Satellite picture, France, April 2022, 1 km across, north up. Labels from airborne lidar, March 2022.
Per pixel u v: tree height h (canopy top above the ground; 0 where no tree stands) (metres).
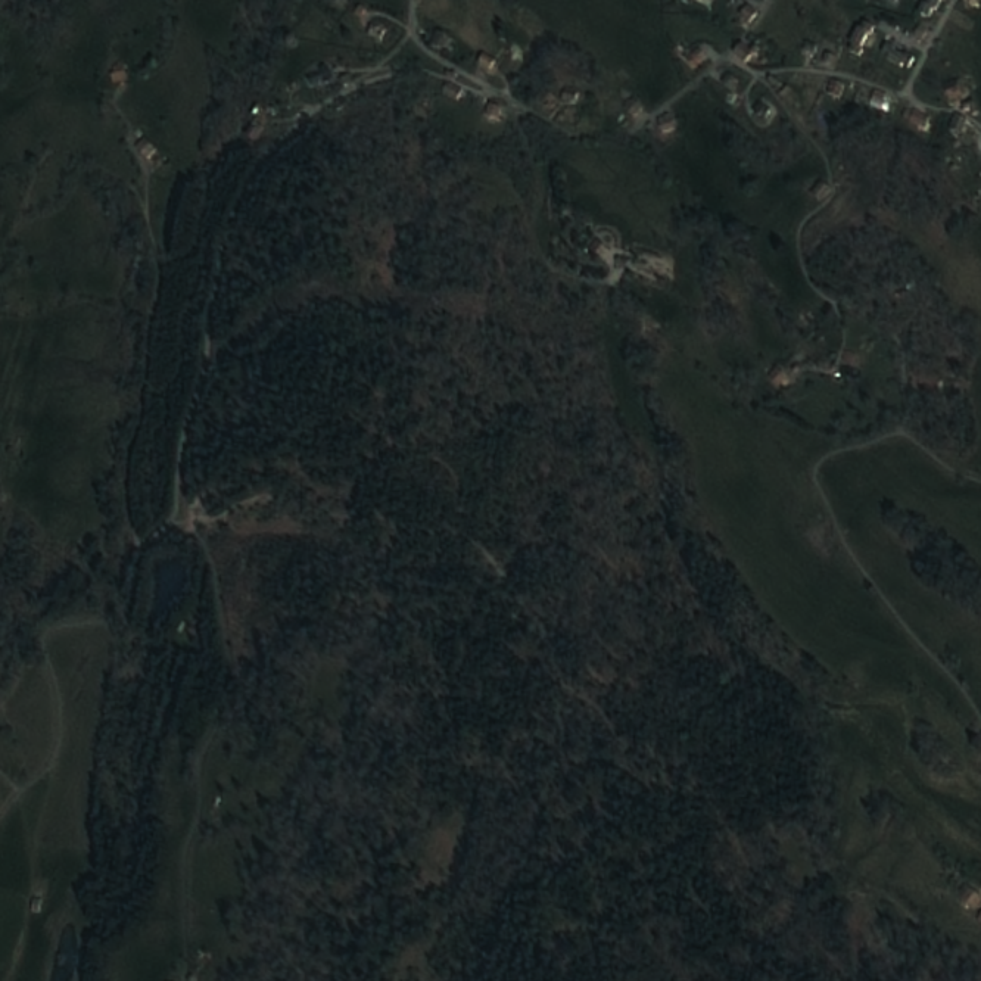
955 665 15
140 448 19
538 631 16
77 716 0
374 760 24
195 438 14
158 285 13
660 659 10
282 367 14
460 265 19
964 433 15
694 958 23
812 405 0
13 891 0
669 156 0
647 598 34
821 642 0
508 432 10
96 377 0
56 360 0
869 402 23
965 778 0
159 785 19
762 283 0
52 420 0
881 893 0
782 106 0
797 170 0
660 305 0
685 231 21
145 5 0
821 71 0
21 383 0
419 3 0
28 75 0
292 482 22
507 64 0
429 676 11
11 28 8
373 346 10
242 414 23
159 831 34
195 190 33
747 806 10
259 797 0
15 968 0
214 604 18
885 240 18
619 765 27
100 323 0
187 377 17
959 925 0
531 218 6
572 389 7
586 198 0
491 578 10
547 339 11
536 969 25
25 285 0
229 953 0
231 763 9
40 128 0
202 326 13
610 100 0
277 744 6
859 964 23
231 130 25
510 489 14
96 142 0
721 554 19
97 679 0
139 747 20
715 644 9
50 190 0
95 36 0
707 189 0
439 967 9
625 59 0
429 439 11
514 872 23
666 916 29
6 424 0
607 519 26
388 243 0
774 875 19
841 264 10
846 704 0
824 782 11
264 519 8
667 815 28
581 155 0
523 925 9
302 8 0
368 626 25
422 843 25
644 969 8
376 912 8
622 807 32
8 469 0
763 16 0
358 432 10
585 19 0
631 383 0
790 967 28
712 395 0
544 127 15
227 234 18
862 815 0
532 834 22
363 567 24
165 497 16
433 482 17
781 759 11
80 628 0
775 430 0
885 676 0
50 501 0
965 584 29
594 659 28
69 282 0
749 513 0
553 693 19
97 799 21
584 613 29
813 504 0
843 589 0
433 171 12
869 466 0
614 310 14
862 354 0
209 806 0
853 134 14
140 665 23
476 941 7
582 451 10
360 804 22
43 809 0
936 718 0
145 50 0
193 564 21
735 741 15
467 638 17
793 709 24
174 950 0
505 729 13
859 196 0
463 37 0
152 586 19
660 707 9
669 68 0
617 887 10
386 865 30
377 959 18
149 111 0
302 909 20
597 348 23
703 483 0
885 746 0
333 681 0
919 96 0
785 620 0
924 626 0
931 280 19
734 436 0
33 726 0
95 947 29
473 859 27
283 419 6
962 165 0
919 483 0
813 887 19
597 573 26
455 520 8
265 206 17
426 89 12
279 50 17
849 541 0
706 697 22
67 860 0
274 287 15
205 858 0
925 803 0
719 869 21
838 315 11
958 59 0
